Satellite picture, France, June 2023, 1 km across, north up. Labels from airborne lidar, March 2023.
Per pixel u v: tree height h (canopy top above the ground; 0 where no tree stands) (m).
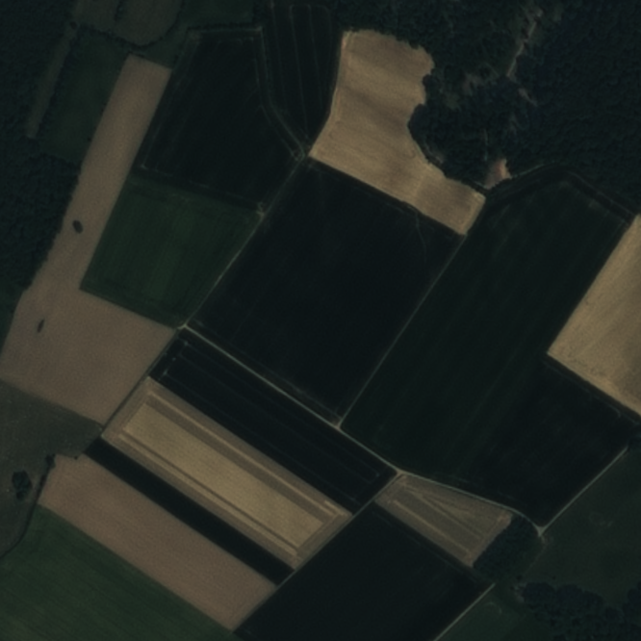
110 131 0
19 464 0
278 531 0
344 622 0
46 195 22
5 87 26
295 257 0
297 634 0
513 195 0
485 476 0
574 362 0
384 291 0
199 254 0
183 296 0
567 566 0
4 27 31
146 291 0
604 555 0
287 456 0
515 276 0
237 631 0
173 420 0
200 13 0
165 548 0
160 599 0
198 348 0
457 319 0
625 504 0
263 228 0
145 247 0
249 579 0
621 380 0
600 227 0
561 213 0
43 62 24
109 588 0
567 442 0
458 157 18
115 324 0
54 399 0
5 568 0
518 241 0
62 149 0
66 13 20
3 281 0
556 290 0
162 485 0
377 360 0
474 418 0
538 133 24
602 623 30
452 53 26
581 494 0
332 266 0
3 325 0
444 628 0
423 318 0
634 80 29
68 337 0
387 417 0
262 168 0
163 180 0
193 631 0
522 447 0
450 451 0
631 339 0
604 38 29
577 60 29
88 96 0
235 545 0
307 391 0
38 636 0
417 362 0
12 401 0
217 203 0
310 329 0
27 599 0
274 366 0
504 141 15
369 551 0
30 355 0
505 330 0
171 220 0
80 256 0
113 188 0
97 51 0
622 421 0
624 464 0
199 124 0
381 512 0
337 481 0
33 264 13
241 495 0
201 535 0
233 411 0
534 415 0
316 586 0
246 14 0
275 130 0
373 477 0
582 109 27
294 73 0
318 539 0
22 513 0
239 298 0
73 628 0
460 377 0
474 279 0
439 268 0
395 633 0
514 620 0
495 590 0
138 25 0
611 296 0
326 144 0
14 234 21
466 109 24
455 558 0
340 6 22
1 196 20
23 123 23
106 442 0
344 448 0
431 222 0
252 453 0
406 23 23
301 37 0
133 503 0
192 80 0
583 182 0
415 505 0
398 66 0
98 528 0
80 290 0
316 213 0
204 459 0
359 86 0
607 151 22
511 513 0
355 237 0
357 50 0
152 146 0
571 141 20
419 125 26
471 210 0
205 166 0
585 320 0
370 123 0
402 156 0
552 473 0
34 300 0
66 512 0
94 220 0
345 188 0
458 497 0
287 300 0
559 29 15
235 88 0
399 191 0
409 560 0
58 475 0
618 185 21
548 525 0
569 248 0
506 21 25
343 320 0
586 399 0
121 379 0
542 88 30
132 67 0
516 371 0
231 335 0
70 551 0
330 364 0
